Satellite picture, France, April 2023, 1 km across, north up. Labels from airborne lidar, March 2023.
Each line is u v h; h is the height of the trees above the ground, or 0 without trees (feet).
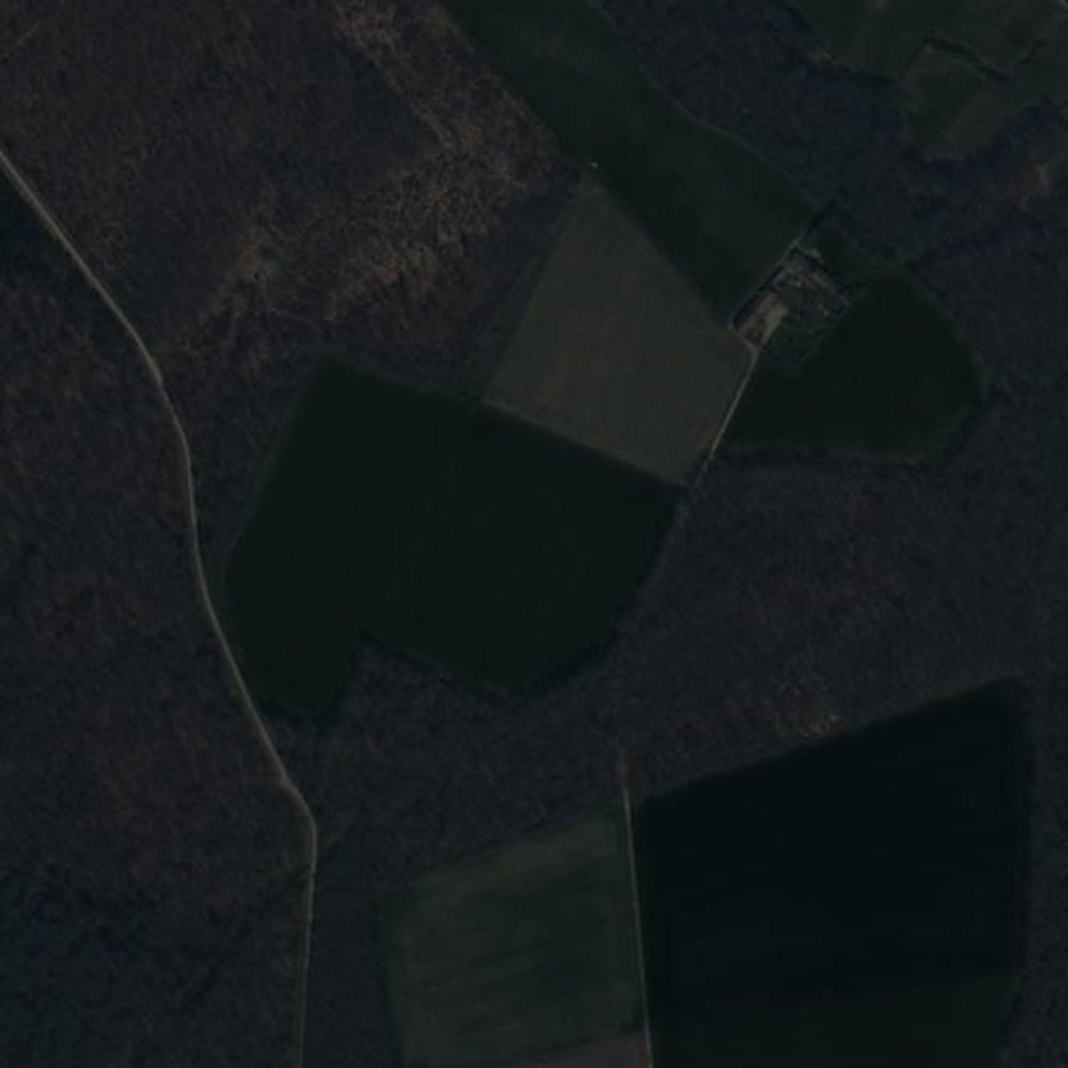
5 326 55
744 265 0
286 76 57
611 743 63
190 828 77
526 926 0
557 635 0
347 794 68
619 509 0
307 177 49
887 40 0
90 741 64
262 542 0
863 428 0
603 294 0
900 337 0
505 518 0
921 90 0
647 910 0
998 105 0
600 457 0
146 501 66
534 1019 0
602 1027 0
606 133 0
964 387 0
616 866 0
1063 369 80
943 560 72
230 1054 55
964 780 0
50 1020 63
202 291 57
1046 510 73
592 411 0
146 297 51
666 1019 0
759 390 0
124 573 76
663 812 0
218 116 47
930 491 71
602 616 0
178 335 45
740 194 0
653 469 0
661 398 0
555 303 0
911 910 0
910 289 0
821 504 62
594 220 0
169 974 64
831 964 0
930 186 65
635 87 0
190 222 47
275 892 64
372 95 65
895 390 0
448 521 0
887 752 0
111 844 72
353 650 0
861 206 64
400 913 0
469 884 0
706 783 0
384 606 0
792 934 0
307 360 31
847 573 62
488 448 0
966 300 62
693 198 0
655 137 0
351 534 0
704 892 0
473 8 0
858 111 33
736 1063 0
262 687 0
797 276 0
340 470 0
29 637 77
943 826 0
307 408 0
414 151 52
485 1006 0
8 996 65
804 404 0
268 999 64
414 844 77
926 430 0
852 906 0
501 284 63
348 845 45
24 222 44
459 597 0
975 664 79
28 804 47
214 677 72
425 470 0
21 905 78
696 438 0
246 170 42
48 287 38
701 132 0
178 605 80
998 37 0
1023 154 55
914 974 0
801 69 84
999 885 0
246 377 45
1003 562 82
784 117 65
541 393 0
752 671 62
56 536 74
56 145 31
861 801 0
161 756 68
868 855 0
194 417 58
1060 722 69
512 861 0
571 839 0
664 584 62
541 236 62
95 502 82
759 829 0
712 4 84
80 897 42
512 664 0
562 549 0
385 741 79
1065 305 91
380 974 34
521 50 0
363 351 69
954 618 76
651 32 62
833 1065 0
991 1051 0
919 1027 0
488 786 66
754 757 42
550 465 0
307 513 0
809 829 0
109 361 51
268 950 59
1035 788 31
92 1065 60
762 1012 0
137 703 67
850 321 0
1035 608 78
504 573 0
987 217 58
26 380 70
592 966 0
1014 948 0
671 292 0
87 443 74
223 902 75
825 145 74
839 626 62
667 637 71
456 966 0
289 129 43
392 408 0
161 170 38
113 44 46
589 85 0
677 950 0
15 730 44
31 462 82
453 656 0
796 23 37
